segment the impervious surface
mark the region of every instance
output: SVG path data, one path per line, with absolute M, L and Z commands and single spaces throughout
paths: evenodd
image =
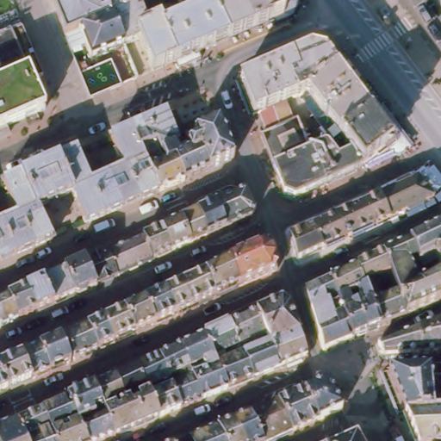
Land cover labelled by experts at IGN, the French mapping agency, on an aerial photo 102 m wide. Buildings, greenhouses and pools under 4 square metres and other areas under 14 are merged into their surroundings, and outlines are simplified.
M 396 288 L 391 270 L 370 270 L 370 281 L 376 293 L 384 291 L 388 295 L 389 289 Z
M 367 171 L 363 176 L 353 177 L 339 188 L 331 191 L 312 189 L 303 195 L 288 195 L 277 186 L 272 165 L 267 153 L 264 153 L 264 148 L 260 146 L 260 140 L 264 140 L 267 131 L 284 126 L 289 117 L 286 115 L 272 122 L 262 121 L 253 110 L 250 98 L 246 95 L 245 84 L 239 78 L 239 72 L 241 65 L 246 62 L 308 33 L 327 34 L 331 38 L 339 52 L 345 55 L 351 67 L 358 72 L 363 83 L 376 95 L 377 102 L 388 112 L 391 121 L 407 134 L 410 143 L 407 150 L 401 153 L 400 157 L 391 158 L 388 165 L 379 167 L 376 171 Z M 102 274 L 105 258 L 121 253 L 117 245 L 119 239 L 143 234 L 143 227 L 150 226 L 158 220 L 169 219 L 171 212 L 179 212 L 181 208 L 193 205 L 202 196 L 208 196 L 217 207 L 238 195 L 246 196 L 255 203 L 255 210 L 250 217 L 238 220 L 231 226 L 222 227 L 219 231 L 208 234 L 195 243 L 189 243 L 169 255 L 153 258 L 152 262 L 146 262 L 136 270 L 124 272 L 122 276 L 114 279 L 112 284 L 96 284 L 83 293 L 57 301 L 55 305 L 22 315 L 0 329 L 0 351 L 10 350 L 19 343 L 26 345 L 28 341 L 40 339 L 43 332 L 53 331 L 57 327 L 64 329 L 65 338 L 74 336 L 88 314 L 93 314 L 115 301 L 121 303 L 129 296 L 141 295 L 153 284 L 164 283 L 167 277 L 177 276 L 179 272 L 193 265 L 205 264 L 210 258 L 226 253 L 236 243 L 257 234 L 264 238 L 265 243 L 270 239 L 276 243 L 279 269 L 267 279 L 224 293 L 219 298 L 208 301 L 207 305 L 171 320 L 165 326 L 158 326 L 141 334 L 129 332 L 115 343 L 93 351 L 91 358 L 72 365 L 71 369 L 65 372 L 55 372 L 47 379 L 0 393 L 0 417 L 12 413 L 21 415 L 26 408 L 38 407 L 41 401 L 62 393 L 72 382 L 81 379 L 96 377 L 100 386 L 109 384 L 112 379 L 121 377 L 127 370 L 148 365 L 146 353 L 157 350 L 162 345 L 174 343 L 177 338 L 195 332 L 198 327 L 205 326 L 210 320 L 219 319 L 222 315 L 245 312 L 246 308 L 257 303 L 258 298 L 270 293 L 274 295 L 279 289 L 284 289 L 284 307 L 288 314 L 300 320 L 307 338 L 307 350 L 300 351 L 293 357 L 284 358 L 281 362 L 267 365 L 264 369 L 234 377 L 231 381 L 224 382 L 217 388 L 208 389 L 205 393 L 189 394 L 184 400 L 165 403 L 164 407 L 155 413 L 158 420 L 146 417 L 140 420 L 140 424 L 136 420 L 131 420 L 131 424 L 122 424 L 121 419 L 117 419 L 112 429 L 93 434 L 90 441 L 195 441 L 193 436 L 196 427 L 217 420 L 219 415 L 238 412 L 239 408 L 253 408 L 260 419 L 265 419 L 270 413 L 276 412 L 276 408 L 272 407 L 272 401 L 277 398 L 279 391 L 293 388 L 298 382 L 310 382 L 312 388 L 319 389 L 326 386 L 329 381 L 336 382 L 338 389 L 332 389 L 332 396 L 338 401 L 343 401 L 345 407 L 339 412 L 331 413 L 329 417 L 312 427 L 295 432 L 293 436 L 284 436 L 277 441 L 320 441 L 324 438 L 331 439 L 334 432 L 343 431 L 345 427 L 353 424 L 362 425 L 363 431 L 369 436 L 369 441 L 417 441 L 412 425 L 403 412 L 403 405 L 398 400 L 398 394 L 394 391 L 388 372 L 388 360 L 377 351 L 376 345 L 381 339 L 400 334 L 403 326 L 413 324 L 419 317 L 425 319 L 427 314 L 441 315 L 441 300 L 391 320 L 391 324 L 384 332 L 376 332 L 372 336 L 358 336 L 332 346 L 329 350 L 320 350 L 320 346 L 317 345 L 314 317 L 310 312 L 307 298 L 307 283 L 324 272 L 329 272 L 331 267 L 345 267 L 350 258 L 360 257 L 363 252 L 369 253 L 369 257 L 376 257 L 376 246 L 384 245 L 386 239 L 400 234 L 410 238 L 410 229 L 420 226 L 424 220 L 431 219 L 434 215 L 441 214 L 441 200 L 419 214 L 401 215 L 396 222 L 384 222 L 381 227 L 370 233 L 355 236 L 350 245 L 341 246 L 338 252 L 329 253 L 326 257 L 291 257 L 289 236 L 286 231 L 300 220 L 308 219 L 319 212 L 326 212 L 332 205 L 345 202 L 346 198 L 367 193 L 384 181 L 413 169 L 436 167 L 441 174 L 441 0 L 296 0 L 295 9 L 288 10 L 283 16 L 274 19 L 272 29 L 265 36 L 262 45 L 258 45 L 257 41 L 250 41 L 226 53 L 210 48 L 208 60 L 198 57 L 198 64 L 195 67 L 174 72 L 162 79 L 145 65 L 141 74 L 134 74 L 131 78 L 117 83 L 103 90 L 90 91 L 83 74 L 79 71 L 76 60 L 78 52 L 72 52 L 67 45 L 64 31 L 45 0 L 0 0 L 0 65 L 10 64 L 24 55 L 33 57 L 48 93 L 47 102 L 41 112 L 0 127 L 0 212 L 14 205 L 14 198 L 3 188 L 3 169 L 10 171 L 24 158 L 55 145 L 62 146 L 72 140 L 81 141 L 91 169 L 100 169 L 103 165 L 121 158 L 121 153 L 115 150 L 114 143 L 110 140 L 110 127 L 140 112 L 157 107 L 160 103 L 171 105 L 172 115 L 177 124 L 174 129 L 179 133 L 181 143 L 188 140 L 189 131 L 195 129 L 198 124 L 196 119 L 205 119 L 214 110 L 220 110 L 220 114 L 226 115 L 229 119 L 227 124 L 233 131 L 234 143 L 233 160 L 222 165 L 219 171 L 212 172 L 195 183 L 184 184 L 183 188 L 167 191 L 164 200 L 158 196 L 150 196 L 141 202 L 134 202 L 124 214 L 114 212 L 95 219 L 91 212 L 88 214 L 84 210 L 83 202 L 76 202 L 71 193 L 43 198 L 43 207 L 47 210 L 55 229 L 55 236 L 45 245 L 34 248 L 33 253 L 19 258 L 16 264 L 0 269 L 0 295 L 17 279 L 29 276 L 36 270 L 48 270 L 50 267 L 62 265 L 65 258 L 79 250 L 90 253 L 91 262 L 95 264 L 98 276 Z
M 434 269 L 436 265 L 441 264 L 441 253 L 434 250 L 424 255 L 420 255 L 419 252 L 413 253 L 415 264 L 405 276 L 405 281 L 412 283 L 424 277 L 424 267 Z

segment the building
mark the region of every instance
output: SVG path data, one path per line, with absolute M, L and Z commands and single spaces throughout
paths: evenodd
M 272 165 L 277 186 L 288 195 L 303 195 L 312 189 L 331 191 L 339 188 L 353 177 L 363 176 L 367 171 L 376 171 L 379 167 L 388 165 L 391 158 L 400 157 L 401 153 L 407 150 L 410 143 L 407 134 L 391 121 L 388 112 L 377 102 L 376 95 L 363 83 L 358 72 L 351 67 L 345 55 L 339 52 L 331 38 L 327 34 L 308 33 L 246 62 L 241 65 L 239 72 L 239 78 L 245 84 L 246 95 L 250 98 L 253 110 L 262 121 L 272 122 L 286 115 L 289 117 L 284 126 L 267 131 L 264 140 L 260 140 L 260 146 L 264 148 L 264 153 L 267 153 Z
M 295 432 L 312 427 L 329 417 L 331 413 L 339 412 L 345 407 L 343 401 L 338 401 L 332 396 L 332 389 L 338 389 L 336 382 L 329 381 L 326 386 L 319 389 L 312 388 L 310 382 L 298 382 L 293 388 L 279 391 L 277 398 L 272 401 L 272 407 L 276 408 L 276 412 L 270 413 L 265 419 L 260 419 L 253 408 L 239 408 L 238 412 L 219 415 L 217 420 L 196 427 L 193 436 L 195 441 L 277 441 L 284 436 L 293 436 Z
M 0 127 L 41 112 L 47 102 L 48 93 L 33 57 L 24 55 L 10 64 L 0 65 Z
M 145 65 L 162 79 L 174 72 L 195 67 L 198 64 L 198 57 L 208 60 L 210 48 L 226 53 L 250 41 L 257 41 L 258 45 L 262 45 L 265 36 L 272 29 L 274 19 L 283 16 L 288 10 L 295 9 L 296 0 L 45 0 L 64 31 L 67 45 L 72 52 L 78 52 L 76 60 L 79 71 L 83 74 L 109 64 L 117 83 L 131 78 L 134 74 L 141 74 Z
M 413 169 L 384 181 L 367 193 L 346 198 L 345 202 L 332 205 L 326 212 L 319 212 L 308 219 L 300 220 L 286 231 L 289 236 L 291 257 L 326 257 L 329 253 L 338 252 L 341 246 L 350 245 L 355 236 L 370 233 L 381 227 L 384 222 L 396 222 L 401 215 L 419 214 L 441 200 L 441 174 L 436 167 Z
M 331 267 L 329 272 L 324 272 L 307 283 L 307 298 L 310 312 L 314 317 L 317 345 L 320 346 L 320 350 L 329 350 L 332 346 L 358 336 L 372 336 L 376 332 L 384 332 L 391 324 L 391 320 L 441 300 L 441 264 L 436 265 L 434 269 L 424 267 L 424 277 L 412 283 L 405 281 L 405 276 L 415 264 L 413 253 L 419 252 L 420 255 L 424 255 L 434 250 L 441 253 L 441 214 L 434 215 L 431 219 L 424 220 L 420 226 L 410 229 L 410 238 L 400 234 L 386 239 L 384 245 L 376 246 L 376 257 L 369 257 L 369 253 L 363 252 L 360 257 L 350 258 L 345 267 Z M 396 288 L 389 289 L 388 295 L 384 291 L 376 293 L 370 281 L 370 270 L 391 270 Z
M 112 429 L 117 419 L 121 419 L 122 424 L 131 424 L 131 420 L 136 420 L 140 424 L 140 420 L 146 417 L 158 420 L 155 413 L 164 407 L 165 403 L 184 400 L 189 394 L 205 393 L 208 389 L 217 388 L 224 382 L 231 381 L 234 377 L 264 369 L 267 365 L 281 362 L 284 358 L 293 357 L 300 351 L 307 350 L 307 338 L 300 320 L 288 314 L 284 307 L 284 289 L 279 289 L 274 295 L 270 293 L 258 298 L 257 303 L 246 308 L 245 312 L 222 315 L 219 319 L 210 320 L 205 326 L 198 327 L 195 332 L 177 338 L 174 343 L 162 345 L 157 350 L 146 353 L 148 365 L 127 370 L 121 377 L 112 379 L 109 384 L 100 386 L 96 377 L 81 379 L 72 382 L 62 393 L 41 401 L 38 407 L 26 408 L 21 415 L 12 413 L 0 417 L 0 441 L 90 441 L 93 434 Z
M 270 239 L 265 243 L 264 238 L 257 234 L 236 243 L 226 253 L 210 258 L 205 264 L 193 265 L 179 272 L 177 276 L 167 277 L 164 283 L 153 284 L 141 295 L 129 296 L 121 303 L 115 301 L 93 314 L 88 314 L 74 336 L 65 338 L 64 329 L 57 327 L 53 331 L 43 332 L 40 339 L 28 341 L 26 345 L 19 343 L 10 350 L 0 351 L 0 393 L 47 379 L 55 372 L 65 372 L 71 369 L 72 365 L 91 358 L 93 351 L 115 343 L 129 332 L 141 334 L 158 326 L 165 326 L 171 320 L 207 305 L 208 301 L 219 298 L 224 293 L 267 279 L 279 269 L 276 243 Z
M 441 315 L 427 314 L 425 319 L 419 317 L 413 324 L 403 326 L 400 334 L 381 339 L 376 345 L 377 351 L 388 360 L 388 372 L 394 391 L 398 394 L 398 400 L 403 405 L 403 412 L 412 425 L 417 441 L 441 441 Z
M 171 212 L 169 219 L 158 220 L 150 226 L 143 227 L 143 234 L 119 239 L 117 245 L 121 253 L 105 258 L 102 274 L 98 276 L 95 264 L 91 262 L 90 253 L 79 250 L 65 258 L 62 265 L 50 267 L 48 270 L 36 270 L 29 276 L 17 279 L 0 295 L 0 329 L 22 315 L 55 305 L 57 301 L 83 293 L 96 284 L 112 284 L 114 279 L 122 276 L 124 272 L 136 270 L 146 262 L 152 262 L 153 258 L 169 255 L 189 243 L 195 243 L 208 234 L 219 231 L 222 227 L 231 226 L 238 220 L 250 217 L 255 210 L 255 203 L 246 196 L 238 195 L 217 207 L 208 196 L 202 196 L 193 205 L 181 208 L 179 212 Z
M 324 438 L 320 441 L 369 441 L 369 436 L 363 431 L 362 425 L 353 424 L 345 427 L 343 431 L 334 432 L 331 439 Z
M 84 210 L 88 214 L 91 212 L 95 219 L 114 212 L 124 214 L 134 202 L 141 202 L 150 196 L 158 196 L 164 200 L 167 191 L 183 188 L 184 184 L 195 183 L 212 172 L 219 171 L 222 165 L 233 160 L 234 143 L 233 131 L 227 124 L 229 119 L 226 115 L 220 114 L 220 110 L 214 110 L 205 119 L 196 119 L 198 124 L 195 129 L 189 131 L 188 140 L 181 143 L 179 133 L 174 129 L 177 124 L 172 115 L 171 105 L 160 103 L 157 107 L 140 112 L 110 127 L 110 140 L 114 143 L 115 150 L 121 153 L 121 158 L 103 165 L 100 169 L 91 169 L 81 141 L 72 140 L 62 146 L 55 145 L 24 158 L 10 171 L 3 169 L 3 188 L 14 198 L 14 205 L 0 212 L 0 269 L 16 264 L 19 258 L 33 253 L 34 248 L 45 245 L 55 236 L 55 229 L 47 210 L 43 207 L 43 198 L 71 193 L 76 202 L 83 202 Z

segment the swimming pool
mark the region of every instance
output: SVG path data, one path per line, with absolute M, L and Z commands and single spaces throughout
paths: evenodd
M 103 90 L 117 83 L 109 64 L 83 74 L 90 91 Z

